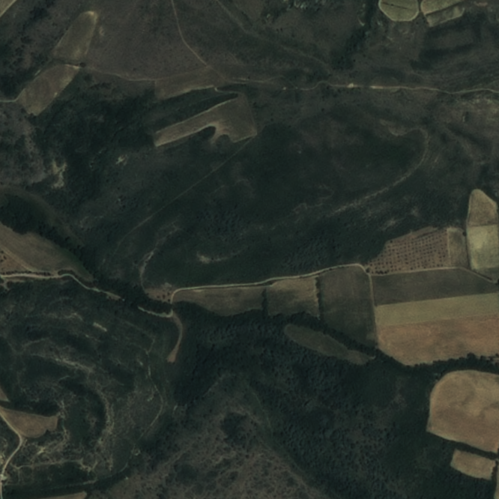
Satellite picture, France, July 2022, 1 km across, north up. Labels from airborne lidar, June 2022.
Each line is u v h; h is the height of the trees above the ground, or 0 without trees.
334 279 0
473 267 0
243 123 0
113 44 0
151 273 0
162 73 0
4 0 0
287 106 0
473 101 0
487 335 0
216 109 0
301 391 8
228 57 0
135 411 0
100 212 0
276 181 0
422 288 0
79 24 0
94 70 0
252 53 0
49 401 7
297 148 0
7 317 8
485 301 0
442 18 0
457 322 0
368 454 9
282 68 0
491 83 0
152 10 0
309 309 0
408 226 5
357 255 0
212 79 0
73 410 0
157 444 6
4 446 0
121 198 10
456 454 0
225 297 0
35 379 0
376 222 6
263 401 7
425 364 7
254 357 9
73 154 7
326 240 14
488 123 0
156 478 0
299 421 8
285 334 12
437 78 0
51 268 0
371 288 0
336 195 0
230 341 7
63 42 0
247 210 0
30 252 0
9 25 0
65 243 13
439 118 0
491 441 0
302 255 10
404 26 0
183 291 0
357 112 0
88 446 5
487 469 0
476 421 0
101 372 0
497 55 0
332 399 13
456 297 0
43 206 0
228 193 0
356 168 0
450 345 0
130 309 6
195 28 0
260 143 0
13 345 0
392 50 0
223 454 0
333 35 0
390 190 0
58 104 6
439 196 6
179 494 0
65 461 0
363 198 0
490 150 0
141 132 6
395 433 7
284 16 0
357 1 0
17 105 0
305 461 12
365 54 0
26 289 8
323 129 0
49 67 0
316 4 7
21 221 18
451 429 0
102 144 6
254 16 0
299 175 0
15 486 0
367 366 8
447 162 0
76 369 0
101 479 7
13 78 6
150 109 6
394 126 0
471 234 0
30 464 0
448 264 0
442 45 0
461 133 0
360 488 10
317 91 0
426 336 0
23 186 6
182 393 13
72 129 6
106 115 6
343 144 0
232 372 6
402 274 0
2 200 0
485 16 0
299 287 0
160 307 10
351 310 0
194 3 0
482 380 0
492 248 0
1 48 0
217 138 0
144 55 0
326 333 12
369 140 0
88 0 0
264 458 0
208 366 9
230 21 0
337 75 0
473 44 0
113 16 0
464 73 0
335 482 8
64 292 6
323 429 10
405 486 6
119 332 0
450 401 0
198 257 0
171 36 0
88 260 12
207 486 0
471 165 0
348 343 18
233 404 0
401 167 0
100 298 8
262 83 0
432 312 0
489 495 8
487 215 0
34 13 7
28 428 0
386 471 7
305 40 0
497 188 0
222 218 8
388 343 0
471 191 0
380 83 0
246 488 0
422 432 8
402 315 0
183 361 9
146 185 0
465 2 0
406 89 0
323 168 0
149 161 0
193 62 0
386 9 0
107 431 0
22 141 6
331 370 11
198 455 0
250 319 12
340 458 11
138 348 0
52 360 0
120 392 0
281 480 0
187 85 0
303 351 13
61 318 0
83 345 6
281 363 13
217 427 0
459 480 10
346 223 8
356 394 8
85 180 6
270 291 0
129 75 0
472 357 18
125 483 0
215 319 9
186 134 0
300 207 0
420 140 0
